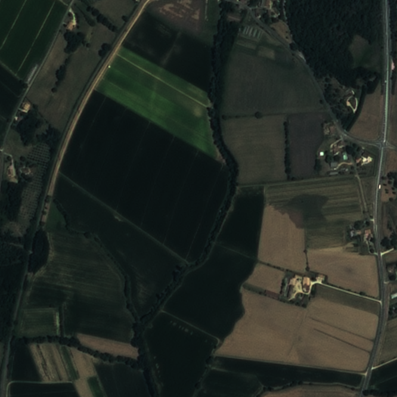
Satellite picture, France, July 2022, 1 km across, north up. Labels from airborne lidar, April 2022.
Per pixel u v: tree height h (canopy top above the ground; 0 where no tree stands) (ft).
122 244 0
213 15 0
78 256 0
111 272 0
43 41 0
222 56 73
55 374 0
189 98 0
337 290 0
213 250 0
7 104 0
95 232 0
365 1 34
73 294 0
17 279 21
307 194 0
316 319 0
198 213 0
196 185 0
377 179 0
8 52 0
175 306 0
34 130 59
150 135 0
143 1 0
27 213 0
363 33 53
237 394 0
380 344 0
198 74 0
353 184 0
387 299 0
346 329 0
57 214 0
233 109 0
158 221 0
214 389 0
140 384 0
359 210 0
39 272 0
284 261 0
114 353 0
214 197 0
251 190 0
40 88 0
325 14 34
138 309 0
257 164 0
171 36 0
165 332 0
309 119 0
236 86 0
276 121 0
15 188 52
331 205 0
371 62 0
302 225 0
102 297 0
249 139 0
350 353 0
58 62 0
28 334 0
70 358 0
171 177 0
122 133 0
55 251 0
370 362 0
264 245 0
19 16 0
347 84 65
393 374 0
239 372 0
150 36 0
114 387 0
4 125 0
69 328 0
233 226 0
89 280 0
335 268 0
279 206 0
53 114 0
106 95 0
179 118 0
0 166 0
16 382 0
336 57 55
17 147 0
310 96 0
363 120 0
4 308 39
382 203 0
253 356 0
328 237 0
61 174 0
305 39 65
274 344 0
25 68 0
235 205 0
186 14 0
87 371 0
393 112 0
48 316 0
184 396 0
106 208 0
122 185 0
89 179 0
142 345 39
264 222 0
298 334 0
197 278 0
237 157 0
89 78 0
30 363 0
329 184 0
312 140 0
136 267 0
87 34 0
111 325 0
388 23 0
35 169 0
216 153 0
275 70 0
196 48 0
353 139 0
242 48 0
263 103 0
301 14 52
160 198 0
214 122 63
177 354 0
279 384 0
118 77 0
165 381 0
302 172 0
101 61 0
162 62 0
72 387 0
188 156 0
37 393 0
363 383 0
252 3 31
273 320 0
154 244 0
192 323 0
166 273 0
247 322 0
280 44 0
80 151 0
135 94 0
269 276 0
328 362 0
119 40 0
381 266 0
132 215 0
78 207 0
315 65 55
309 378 0
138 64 0
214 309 0
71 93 0
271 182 0
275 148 0
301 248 0
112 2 0
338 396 0
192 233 0
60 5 0
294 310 0
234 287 0
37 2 0
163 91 0
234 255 0
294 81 0
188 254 0
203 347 0
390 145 0
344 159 0
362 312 0
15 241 37
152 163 0
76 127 0
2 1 0
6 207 50
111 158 0
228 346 0
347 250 0
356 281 0
